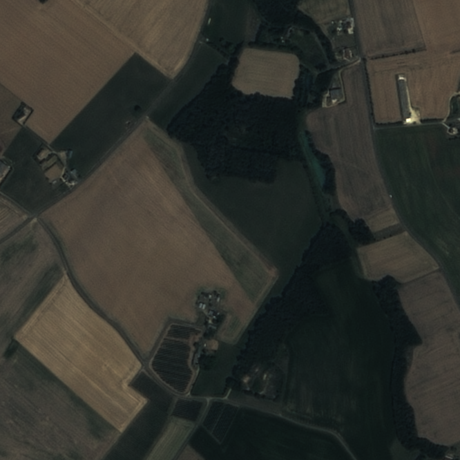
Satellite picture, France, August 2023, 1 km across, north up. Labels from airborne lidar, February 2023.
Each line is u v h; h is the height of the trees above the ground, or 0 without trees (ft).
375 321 0
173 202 0
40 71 0
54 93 0
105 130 0
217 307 0
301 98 57
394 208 0
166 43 0
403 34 0
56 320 0
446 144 0
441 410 0
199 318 0
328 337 0
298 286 55
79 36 0
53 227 0
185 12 0
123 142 0
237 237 0
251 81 0
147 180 0
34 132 0
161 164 0
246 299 0
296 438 0
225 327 0
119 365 0
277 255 0
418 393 0
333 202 0
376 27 0
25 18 0
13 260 0
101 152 0
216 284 0
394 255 0
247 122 56
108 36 0
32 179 0
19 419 0
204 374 0
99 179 0
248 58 0
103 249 0
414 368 0
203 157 33
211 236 0
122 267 0
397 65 0
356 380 0
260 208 0
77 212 0
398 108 0
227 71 45
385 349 0
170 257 0
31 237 0
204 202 0
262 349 44
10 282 0
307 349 0
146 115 0
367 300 0
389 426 0
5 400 0
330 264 51
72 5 0
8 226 0
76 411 0
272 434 0
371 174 0
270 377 0
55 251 0
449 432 0
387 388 0
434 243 0
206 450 0
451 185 0
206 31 0
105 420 0
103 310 0
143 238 0
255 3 30
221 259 0
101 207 0
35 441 0
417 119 0
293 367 0
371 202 0
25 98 0
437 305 0
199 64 0
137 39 0
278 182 0
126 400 0
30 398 0
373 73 0
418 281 0
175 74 0
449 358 0
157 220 0
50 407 0
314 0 0
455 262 0
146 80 0
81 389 0
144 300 0
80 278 0
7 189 0
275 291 0
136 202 0
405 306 0
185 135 55
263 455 0
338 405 0
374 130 0
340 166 0
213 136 41
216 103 25
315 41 0
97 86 0
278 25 54
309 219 0
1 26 0
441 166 0
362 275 0
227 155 38
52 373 0
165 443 0
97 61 0
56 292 0
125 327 0
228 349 0
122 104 0
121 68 0
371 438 0
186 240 0
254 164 62
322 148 0
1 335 0
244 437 0
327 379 0
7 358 0
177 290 0
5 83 0
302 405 0
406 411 27
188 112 45
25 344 0
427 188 0
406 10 0
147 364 0
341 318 0
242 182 0
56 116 0
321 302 50
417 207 0
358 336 0
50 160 0
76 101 0
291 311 37
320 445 0
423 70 0
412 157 0
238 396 0
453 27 0
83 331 0
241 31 0
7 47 0
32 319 0
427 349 0
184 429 0
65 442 0
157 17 0
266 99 29
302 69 38
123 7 0
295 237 0
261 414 0
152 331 0
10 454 0
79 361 0
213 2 0
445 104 0
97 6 0
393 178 0
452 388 0
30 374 0
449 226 0
